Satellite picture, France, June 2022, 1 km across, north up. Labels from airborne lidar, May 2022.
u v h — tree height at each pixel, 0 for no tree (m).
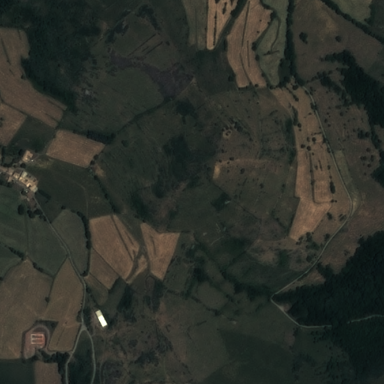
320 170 0
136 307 0
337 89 9
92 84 0
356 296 15
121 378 0
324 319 11
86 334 0
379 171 6
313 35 0
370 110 12
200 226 0
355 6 0
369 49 0
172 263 0
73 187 0
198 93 0
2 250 0
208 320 0
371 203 0
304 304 13
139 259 0
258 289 6
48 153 0
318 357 0
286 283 0
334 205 0
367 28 14
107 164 0
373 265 11
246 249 0
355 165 0
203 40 0
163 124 0
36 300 0
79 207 0
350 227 0
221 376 0
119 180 0
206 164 0
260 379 0
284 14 0
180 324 0
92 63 0
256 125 0
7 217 0
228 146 0
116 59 0
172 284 0
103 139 19
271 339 0
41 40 9
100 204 0
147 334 0
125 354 0
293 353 0
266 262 0
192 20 0
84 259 0
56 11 0
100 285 0
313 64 0
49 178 0
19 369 0
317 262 5
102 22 0
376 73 0
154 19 0
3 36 0
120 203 0
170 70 0
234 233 0
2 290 0
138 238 0
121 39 0
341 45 0
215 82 0
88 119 0
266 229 0
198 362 0
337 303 19
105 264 0
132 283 0
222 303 0
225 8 7
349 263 13
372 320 6
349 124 0
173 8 0
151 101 0
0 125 0
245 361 0
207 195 0
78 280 0
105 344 0
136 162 0
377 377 0
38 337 0
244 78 0
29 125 0
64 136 0
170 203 0
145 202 0
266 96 0
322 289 14
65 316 0
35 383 0
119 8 0
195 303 0
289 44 15
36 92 0
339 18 0
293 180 0
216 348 0
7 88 0
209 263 0
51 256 0
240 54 0
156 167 0
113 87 0
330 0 15
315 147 0
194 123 0
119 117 0
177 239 0
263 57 0
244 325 0
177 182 0
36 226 0
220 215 0
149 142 0
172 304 0
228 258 0
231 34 0
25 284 0
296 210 0
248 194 0
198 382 0
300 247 0
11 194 0
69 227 0
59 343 0
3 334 0
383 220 0
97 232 0
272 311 0
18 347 0
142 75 0
